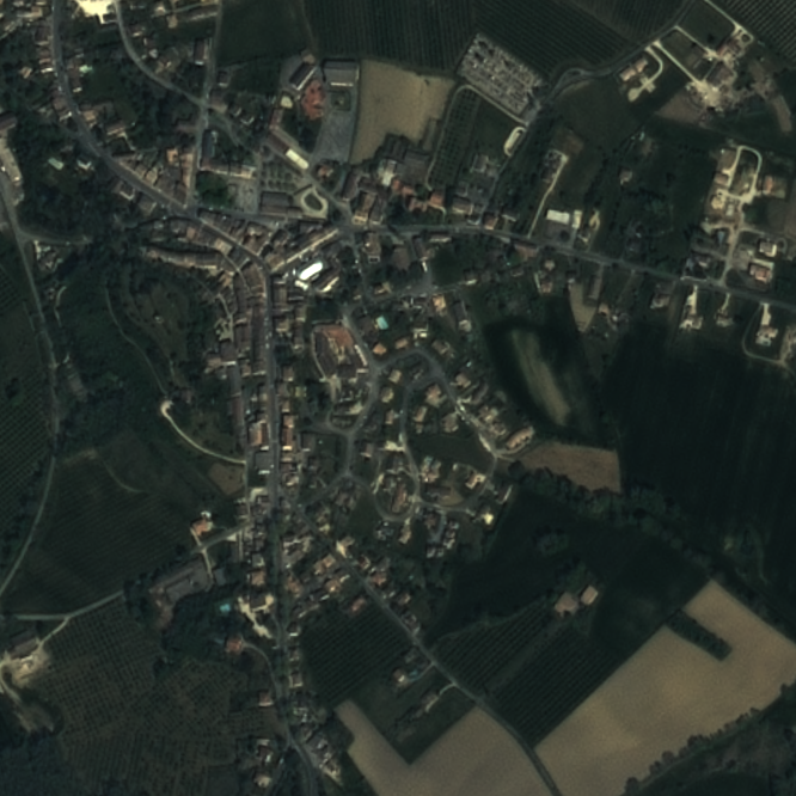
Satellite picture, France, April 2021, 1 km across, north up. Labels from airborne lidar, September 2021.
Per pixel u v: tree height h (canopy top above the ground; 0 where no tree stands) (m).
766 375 0
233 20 0
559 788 0
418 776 0
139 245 17
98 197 17
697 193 0
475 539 0
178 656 13
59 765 23
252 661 13
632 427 0
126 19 7
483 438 0
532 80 0
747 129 0
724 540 0
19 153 9
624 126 0
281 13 0
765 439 0
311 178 0
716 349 0
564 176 0
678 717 0
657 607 0
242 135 8
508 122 0
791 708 0
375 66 0
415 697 0
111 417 11
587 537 0
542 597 6
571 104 0
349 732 15
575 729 0
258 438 0
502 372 0
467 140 0
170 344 0
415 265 8
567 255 0
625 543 0
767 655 0
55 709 0
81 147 9
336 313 14
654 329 0
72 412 7
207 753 5
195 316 11
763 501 0
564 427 0
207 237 0
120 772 6
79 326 10
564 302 0
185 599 7
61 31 8
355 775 0
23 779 24
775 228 0
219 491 0
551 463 0
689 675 0
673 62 0
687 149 6
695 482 0
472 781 0
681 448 0
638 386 0
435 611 7
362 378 0
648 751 0
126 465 0
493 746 0
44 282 6
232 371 0
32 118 12
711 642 11
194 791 6
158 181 0
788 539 0
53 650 5
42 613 0
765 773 10
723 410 0
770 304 0
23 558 0
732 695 0
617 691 0
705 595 0
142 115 6
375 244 0
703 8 0
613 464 0
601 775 0
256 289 0
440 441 0
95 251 10
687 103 0
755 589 0
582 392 0
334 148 0
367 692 0
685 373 0
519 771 0
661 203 20
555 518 0
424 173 0
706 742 15
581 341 9
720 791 0
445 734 0
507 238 0
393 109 0
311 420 7
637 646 0
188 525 0
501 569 0
